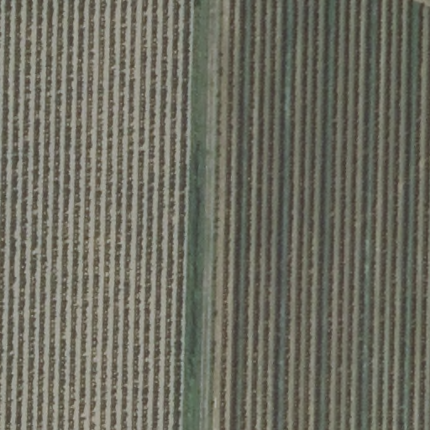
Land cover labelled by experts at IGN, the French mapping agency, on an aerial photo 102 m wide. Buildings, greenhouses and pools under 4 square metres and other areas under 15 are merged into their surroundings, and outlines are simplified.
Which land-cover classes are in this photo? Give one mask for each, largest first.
<instances>
[{"label":"vineyard","instance_id":"1","mask_svg":"<svg viewBox=\"0 0 430 430\"><path fill-rule=\"evenodd\" d=\"M200 141L207 148V158L203 190L205 220L198 430H430V0H0V430H186L180 413L185 410L183 398L188 396V391L185 390V366L191 144Z\"/></svg>","mask_w":430,"mask_h":430},{"label":"deciduous trees","instance_id":"2","mask_svg":"<svg viewBox=\"0 0 430 430\"><path fill-rule=\"evenodd\" d=\"M207 158V148L200 141L191 144L185 366V390L188 391V396L183 398L185 410L180 413L186 430H198L205 220L203 190Z\"/></svg>","mask_w":430,"mask_h":430}]
</instances>
